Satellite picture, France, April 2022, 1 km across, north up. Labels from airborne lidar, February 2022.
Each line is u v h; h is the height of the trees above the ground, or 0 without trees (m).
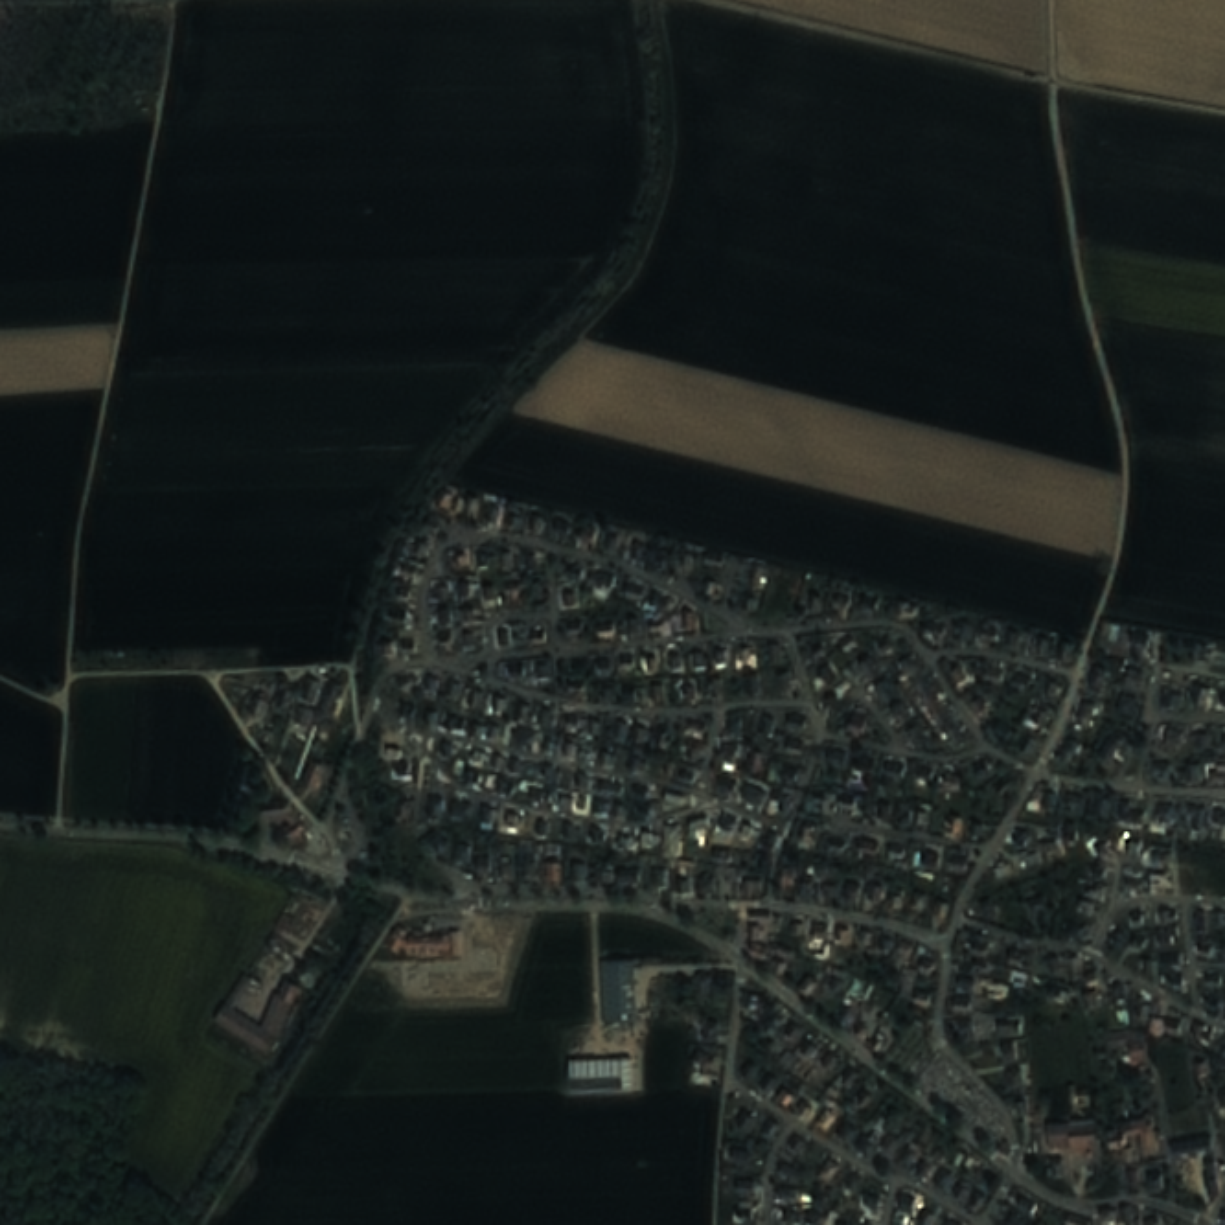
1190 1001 0
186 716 0
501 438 0
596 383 0
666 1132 0
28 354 0
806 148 0
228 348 0
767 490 0
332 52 0
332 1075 0
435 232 0
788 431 0
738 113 0
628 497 0
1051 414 0
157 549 0
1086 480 0
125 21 10
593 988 0
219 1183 14
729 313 0
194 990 0
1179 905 0
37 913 0
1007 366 0
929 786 10
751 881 0
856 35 0
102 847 0
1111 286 0
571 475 0
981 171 0
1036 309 0
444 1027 0
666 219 0
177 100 0
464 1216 0
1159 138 0
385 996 0
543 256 0
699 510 0
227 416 0
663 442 0
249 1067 0
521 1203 0
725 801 0
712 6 0
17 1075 24
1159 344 0
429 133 0
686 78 0
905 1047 0
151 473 0
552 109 0
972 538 0
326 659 0
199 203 0
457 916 0
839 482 0
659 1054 0
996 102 0
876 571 0
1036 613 0
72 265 0
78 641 0
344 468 0
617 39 0
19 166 0
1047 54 0
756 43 0
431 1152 0
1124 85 0
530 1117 0
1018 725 8
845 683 0
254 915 0
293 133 0
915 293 0
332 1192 0
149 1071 0
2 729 0
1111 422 0
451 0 0
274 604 0
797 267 0
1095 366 0
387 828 8
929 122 0
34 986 0
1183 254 0
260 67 0
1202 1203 12
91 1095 20
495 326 0
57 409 0
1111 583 0
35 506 0
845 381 0
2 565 0
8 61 24
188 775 0
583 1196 0
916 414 0
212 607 0
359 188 0
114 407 0
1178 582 0
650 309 0
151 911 0
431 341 0
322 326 0
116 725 0
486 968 0
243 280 0
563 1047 0
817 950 0
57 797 0
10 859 0
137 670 0
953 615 6
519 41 0
